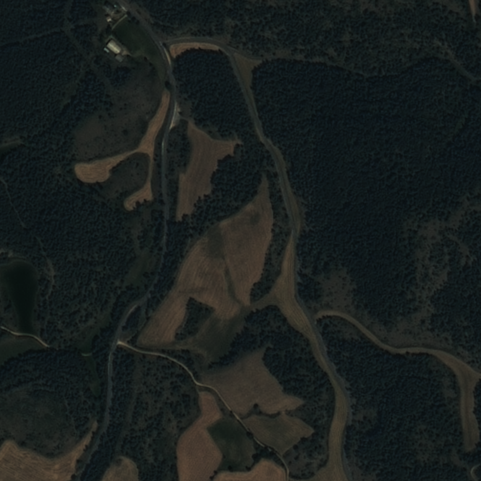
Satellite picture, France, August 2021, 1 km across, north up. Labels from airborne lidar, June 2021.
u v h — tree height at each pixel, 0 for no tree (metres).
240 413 0
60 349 7
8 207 13
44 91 9
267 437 0
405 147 12
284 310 0
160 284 9
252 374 0
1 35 13
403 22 16
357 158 12
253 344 10
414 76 17
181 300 0
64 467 0
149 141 0
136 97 0
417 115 7
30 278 0
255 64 0
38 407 0
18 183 13
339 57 11
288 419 0
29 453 0
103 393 6
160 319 0
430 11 13
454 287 11
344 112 17
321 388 11
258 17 7
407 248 11
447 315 9
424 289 8
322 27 7
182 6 15
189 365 13
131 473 0
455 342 12
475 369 0
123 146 0
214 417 0
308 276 9
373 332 0
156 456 7
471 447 0
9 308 11
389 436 15
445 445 8
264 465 0
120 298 9
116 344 0
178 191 8
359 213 19
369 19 17
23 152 7
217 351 0
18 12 11
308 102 13
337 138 19
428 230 0
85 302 13
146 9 11
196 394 0
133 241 14
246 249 0
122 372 11
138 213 7
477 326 18
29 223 18
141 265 0
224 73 10
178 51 0
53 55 13
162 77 0
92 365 0
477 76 11
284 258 0
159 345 0
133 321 10
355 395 12
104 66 7
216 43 0
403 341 0
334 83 18
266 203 0
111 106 13
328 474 0
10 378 11
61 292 6
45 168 10
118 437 9
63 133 9
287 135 17
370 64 9
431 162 14
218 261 0
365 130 14
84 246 11
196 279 0
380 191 17
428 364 8
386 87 15
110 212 9
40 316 14
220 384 0
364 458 9
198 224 10
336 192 16
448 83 9
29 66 10
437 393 8
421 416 8
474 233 11
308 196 11
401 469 15
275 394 0
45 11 9
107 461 9
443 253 7
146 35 0
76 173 0
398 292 13
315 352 0
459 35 15
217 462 0
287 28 11
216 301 0
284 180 0
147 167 0
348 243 18
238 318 0
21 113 12
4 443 0
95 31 8
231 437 0
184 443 0
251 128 16
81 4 13
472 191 15
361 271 16
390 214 16
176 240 9
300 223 0
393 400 18
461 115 9
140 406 9
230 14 12
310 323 0
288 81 10
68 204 12
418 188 13
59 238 13
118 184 0
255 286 9
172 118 0
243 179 10
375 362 11
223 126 10
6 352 0
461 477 13
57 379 13
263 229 0
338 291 0
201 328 0
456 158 16
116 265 15
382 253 18
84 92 7
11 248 12
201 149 0
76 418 11
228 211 7
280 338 11
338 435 0
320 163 18
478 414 14
